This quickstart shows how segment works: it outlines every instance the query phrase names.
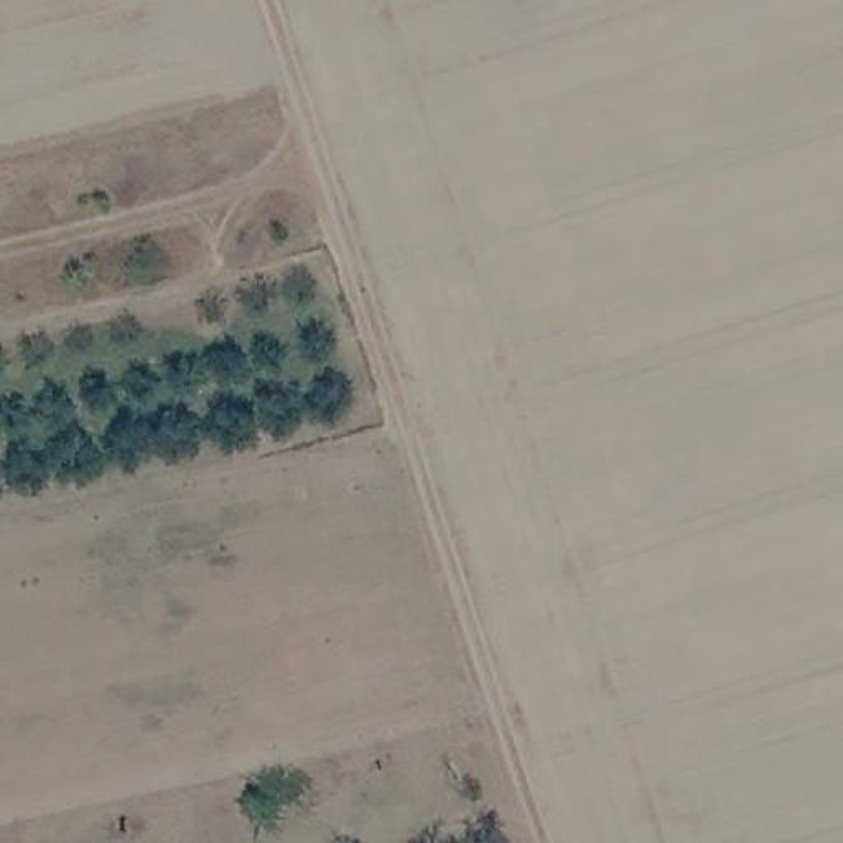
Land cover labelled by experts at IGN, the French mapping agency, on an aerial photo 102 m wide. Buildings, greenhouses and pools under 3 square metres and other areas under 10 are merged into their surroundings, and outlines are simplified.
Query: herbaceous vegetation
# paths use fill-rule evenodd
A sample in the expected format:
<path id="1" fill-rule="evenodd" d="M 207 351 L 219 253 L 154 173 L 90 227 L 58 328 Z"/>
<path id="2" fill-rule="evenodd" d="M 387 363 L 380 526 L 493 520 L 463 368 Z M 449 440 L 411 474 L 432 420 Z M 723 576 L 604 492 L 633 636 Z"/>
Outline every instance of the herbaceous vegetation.
<path id="1" fill-rule="evenodd" d="M 151 369 L 178 349 L 201 349 L 204 342 L 224 336 L 237 346 L 250 346 L 257 333 L 270 333 L 283 342 L 277 382 L 296 379 L 300 389 L 310 392 L 319 372 L 339 369 L 352 385 L 352 402 L 342 415 L 336 415 L 336 422 L 300 422 L 283 438 L 257 431 L 257 441 L 250 445 L 263 461 L 270 461 L 280 454 L 313 451 L 333 438 L 352 438 L 382 428 L 382 408 L 375 395 L 375 375 L 369 369 L 369 352 L 359 339 L 352 306 L 342 293 L 339 267 L 323 240 L 316 204 L 296 201 L 283 191 L 267 191 L 260 198 L 240 201 L 234 214 L 227 207 L 211 207 L 211 201 L 201 191 L 207 184 L 224 181 L 227 175 L 250 171 L 273 148 L 283 128 L 283 109 L 280 92 L 273 86 L 260 86 L 240 99 L 175 99 L 86 128 L 49 132 L 0 145 L 0 346 L 30 333 L 49 336 L 66 333 L 72 326 L 109 323 L 115 316 L 135 316 L 145 326 L 138 339 L 89 339 L 89 346 L 82 349 L 53 349 L 49 359 L 36 366 L 26 366 L 20 359 L 0 369 L 0 395 L 16 392 L 20 402 L 30 405 L 33 395 L 53 379 L 66 389 L 76 422 L 89 435 L 102 435 L 105 448 L 115 448 L 115 438 L 122 431 L 158 431 L 181 425 L 188 412 L 204 415 L 207 402 L 217 395 L 217 379 L 194 385 L 188 405 L 158 405 L 155 412 L 119 408 L 109 422 L 99 408 L 86 405 L 79 385 L 82 372 L 99 369 L 105 372 L 105 379 L 112 379 L 122 375 L 132 362 L 145 362 Z M 168 254 L 168 280 L 155 286 L 125 283 L 125 254 L 132 247 L 132 237 L 138 234 L 151 234 L 155 244 Z M 293 267 L 306 267 L 316 280 L 313 300 L 273 296 L 267 310 L 240 306 L 237 286 L 254 286 L 257 277 L 283 280 Z M 313 319 L 333 329 L 336 346 L 310 362 L 303 359 L 300 326 Z"/>

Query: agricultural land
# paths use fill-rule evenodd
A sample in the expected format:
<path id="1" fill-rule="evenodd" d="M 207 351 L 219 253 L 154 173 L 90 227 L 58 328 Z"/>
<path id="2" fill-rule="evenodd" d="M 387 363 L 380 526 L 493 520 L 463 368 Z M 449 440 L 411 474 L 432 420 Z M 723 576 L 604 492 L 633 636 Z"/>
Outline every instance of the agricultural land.
<path id="1" fill-rule="evenodd" d="M 260 86 L 273 86 L 280 82 L 280 69 L 273 63 L 267 23 L 254 20 L 247 0 L 0 0 L 0 145 L 49 132 L 86 128 L 175 99 L 240 99 Z"/>
<path id="2" fill-rule="evenodd" d="M 254 780 L 254 774 L 267 767 L 293 767 L 310 777 L 303 794 L 277 810 L 273 830 L 267 830 L 260 820 L 250 820 L 240 810 L 240 790 Z M 221 445 L 204 441 L 198 454 L 181 461 L 151 458 L 142 461 L 135 471 L 109 468 L 105 474 L 86 484 L 46 481 L 36 494 L 0 494 L 0 843 L 408 843 L 428 823 L 438 823 L 445 836 L 461 836 L 464 820 L 477 820 L 481 813 L 497 813 L 507 843 L 517 843 L 524 836 L 524 827 L 517 800 L 497 748 L 494 724 L 487 718 L 477 672 L 471 665 L 471 652 L 458 622 L 451 589 L 441 576 L 441 563 L 418 504 L 415 477 L 398 458 L 398 445 L 385 438 L 382 428 L 352 438 L 333 438 L 313 451 L 280 454 L 270 461 L 263 461 L 250 445 L 240 451 L 224 451 Z"/>
<path id="3" fill-rule="evenodd" d="M 425 402 L 425 422 L 431 425 L 435 441 L 441 448 L 448 491 L 468 533 L 471 563 L 481 580 L 481 596 L 494 612 L 494 642 L 501 649 L 501 659 L 507 662 L 510 688 L 533 734 L 537 764 L 527 774 L 527 780 L 550 843 L 843 843 L 843 0 L 303 0 L 290 13 L 293 33 L 319 86 L 319 105 L 336 138 L 342 175 L 352 188 L 356 207 L 369 234 L 369 247 L 379 263 L 389 316 L 395 323 L 395 339 L 412 369 L 415 398 Z"/>

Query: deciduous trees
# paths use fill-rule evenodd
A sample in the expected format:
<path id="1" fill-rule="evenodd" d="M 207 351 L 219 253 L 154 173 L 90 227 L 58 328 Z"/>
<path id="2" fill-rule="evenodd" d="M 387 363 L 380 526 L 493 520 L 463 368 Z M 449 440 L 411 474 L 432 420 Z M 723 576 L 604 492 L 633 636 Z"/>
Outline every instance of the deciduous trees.
<path id="1" fill-rule="evenodd" d="M 477 820 L 464 820 L 461 836 L 445 836 L 438 823 L 428 823 L 408 843 L 507 843 L 497 813 L 481 813 Z"/>
<path id="2" fill-rule="evenodd" d="M 310 362 L 336 346 L 333 329 L 313 319 L 300 326 L 303 359 Z"/>
<path id="3" fill-rule="evenodd" d="M 26 366 L 36 366 L 49 359 L 53 349 L 82 349 L 89 346 L 89 339 L 138 339 L 145 326 L 135 316 L 115 316 L 109 323 L 72 326 L 66 333 L 49 336 L 30 333 L 0 346 L 0 369 L 20 359 Z"/>
<path id="4" fill-rule="evenodd" d="M 316 280 L 306 267 L 293 267 L 283 280 L 257 277 L 254 286 L 237 286 L 240 306 L 267 310 L 273 296 L 313 300 Z"/>
<path id="5" fill-rule="evenodd" d="M 151 234 L 138 234 L 132 237 L 132 247 L 125 254 L 125 283 L 155 286 L 168 280 L 168 254 L 155 244 Z"/>
<path id="6" fill-rule="evenodd" d="M 300 389 L 296 379 L 277 382 L 283 342 L 270 333 L 257 333 L 250 346 L 237 346 L 224 336 L 204 342 L 201 349 L 178 349 L 151 369 L 145 362 L 132 362 L 122 375 L 112 379 L 105 379 L 105 372 L 99 369 L 82 372 L 79 385 L 86 405 L 99 408 L 109 422 L 119 408 L 155 412 L 158 405 L 188 405 L 194 385 L 217 379 L 217 395 L 207 402 L 204 415 L 188 412 L 181 425 L 158 431 L 122 431 L 115 438 L 115 448 L 105 448 L 102 435 L 89 435 L 76 422 L 66 389 L 53 379 L 33 395 L 30 405 L 20 402 L 16 392 L 0 395 L 0 494 L 36 494 L 46 481 L 86 484 L 105 474 L 109 468 L 135 471 L 142 461 L 151 458 L 181 461 L 198 454 L 204 441 L 221 445 L 224 451 L 240 451 L 250 445 L 257 441 L 257 431 L 283 438 L 300 422 L 336 422 L 336 415 L 342 415 L 352 402 L 352 385 L 339 369 L 319 372 L 310 392 Z"/>
<path id="7" fill-rule="evenodd" d="M 250 820 L 260 820 L 267 830 L 273 830 L 277 810 L 303 794 L 310 777 L 293 767 L 267 767 L 254 774 L 254 780 L 240 790 L 240 810 Z"/>

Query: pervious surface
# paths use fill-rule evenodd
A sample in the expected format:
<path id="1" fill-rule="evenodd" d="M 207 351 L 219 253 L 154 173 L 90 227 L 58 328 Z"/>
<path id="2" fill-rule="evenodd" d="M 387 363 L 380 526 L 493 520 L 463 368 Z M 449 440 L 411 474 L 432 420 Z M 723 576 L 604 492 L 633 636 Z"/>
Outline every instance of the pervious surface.
<path id="1" fill-rule="evenodd" d="M 510 688 L 507 662 L 501 659 L 501 649 L 494 642 L 494 612 L 481 596 L 481 580 L 471 563 L 468 533 L 448 491 L 441 448 L 435 441 L 431 425 L 425 422 L 425 402 L 415 398 L 412 369 L 395 339 L 395 323 L 389 316 L 379 263 L 369 247 L 369 234 L 356 207 L 352 188 L 342 175 L 336 138 L 319 105 L 319 86 L 293 33 L 290 13 L 303 0 L 247 0 L 254 20 L 267 23 L 273 63 L 280 69 L 280 82 L 273 86 L 280 92 L 283 109 L 283 128 L 273 148 L 250 171 L 227 175 L 224 181 L 207 184 L 201 191 L 211 201 L 211 207 L 227 207 L 234 214 L 240 201 L 260 198 L 267 191 L 283 191 L 296 201 L 316 204 L 323 240 L 339 267 L 342 293 L 352 306 L 359 339 L 369 352 L 369 369 L 375 375 L 375 395 L 382 408 L 382 428 L 385 438 L 398 445 L 398 458 L 415 477 L 418 504 L 441 563 L 441 576 L 451 589 L 458 622 L 471 652 L 471 665 L 477 672 L 487 718 L 494 724 L 497 748 L 517 800 L 524 827 L 524 836 L 517 843 L 550 843 L 527 780 L 527 774 L 537 764 L 533 734 Z"/>

